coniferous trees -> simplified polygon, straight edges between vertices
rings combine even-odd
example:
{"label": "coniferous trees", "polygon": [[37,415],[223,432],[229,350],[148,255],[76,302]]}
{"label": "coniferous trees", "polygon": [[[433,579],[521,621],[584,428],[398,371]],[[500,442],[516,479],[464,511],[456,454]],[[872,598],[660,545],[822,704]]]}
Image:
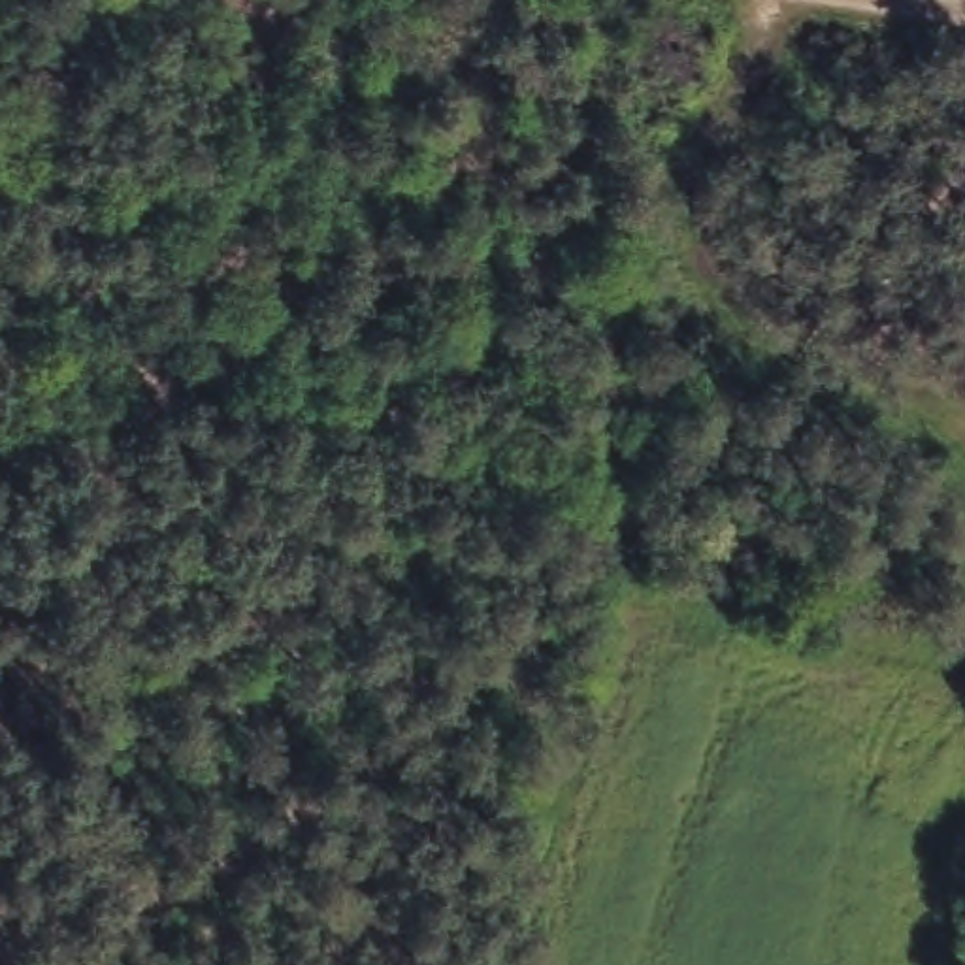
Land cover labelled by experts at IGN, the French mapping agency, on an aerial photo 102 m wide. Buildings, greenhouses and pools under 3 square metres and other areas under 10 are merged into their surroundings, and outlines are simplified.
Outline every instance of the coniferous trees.
{"label": "coniferous trees", "polygon": [[[222,19],[211,26],[204,23],[200,30],[204,38],[245,45],[245,64],[256,94],[283,90],[290,57],[320,60],[313,83],[332,87],[339,98],[309,124],[313,147],[332,151],[335,158],[343,158],[343,166],[369,166],[373,155],[396,155],[407,166],[422,147],[441,151],[452,162],[449,185],[433,196],[369,188],[362,200],[362,215],[369,226],[366,234],[351,237],[339,230],[332,237],[332,249],[320,256],[317,275],[275,279],[279,302],[298,320],[298,328],[309,317],[328,317],[324,347],[343,347],[358,335],[362,362],[384,358],[388,366],[418,354],[433,328],[486,320],[490,313],[490,343],[471,369],[456,366],[449,373],[426,373],[418,381],[392,384],[392,396],[373,426],[324,426],[302,422],[298,415],[234,418],[234,400],[256,392],[260,377],[268,377],[283,362],[283,351],[264,343],[256,354],[241,354],[237,347],[222,343],[215,377],[200,384],[177,377],[166,384],[166,400],[139,384],[139,400],[109,430],[106,456],[79,452],[68,433],[45,433],[34,445],[15,445],[0,452],[0,965],[505,965],[528,954],[535,942],[535,886],[543,882],[532,826],[513,803],[528,788],[558,784],[581,754],[573,746],[573,735],[581,731],[581,720],[592,712],[588,679],[596,648],[603,641],[603,577],[626,569],[633,581],[652,581],[671,592],[705,596],[728,622],[743,626],[746,633],[784,633],[792,622],[799,630],[810,630],[822,622],[837,622],[844,633],[916,626],[931,633],[935,652],[950,667],[965,656],[965,528],[954,520],[950,509],[950,490],[942,479],[942,445],[931,437],[893,441],[875,422],[893,415],[905,400],[924,400],[920,384],[927,373],[942,377],[950,392],[965,400],[965,0],[878,0],[886,15],[814,8],[810,19],[803,19],[795,34],[788,34],[795,57],[807,60],[807,72],[795,79],[788,79],[769,53],[739,53],[731,64],[728,94],[697,117],[690,117],[682,98],[705,75],[716,30],[712,23],[686,23],[671,15],[660,0],[411,0],[411,8],[396,15],[358,19],[351,26],[339,26],[332,38],[313,23],[324,0],[226,0]],[[388,94],[362,90],[366,57],[392,57],[400,64],[400,79]],[[460,219],[498,207],[509,207],[528,226],[532,260],[524,268],[513,268],[494,253],[486,260],[471,260],[449,245],[449,234]],[[663,230],[663,271],[656,279],[656,290],[663,298],[633,305],[611,317],[607,324],[588,328],[584,317],[569,305],[565,286],[573,279],[599,275],[611,260],[611,241],[633,234],[637,226]],[[584,479],[592,475],[592,456],[569,456],[558,441],[573,430],[603,430],[607,411],[648,415],[652,433],[633,452],[607,452],[611,483],[622,490],[622,520],[614,539],[592,539],[573,520],[554,513],[581,498]]]}
{"label": "coniferous trees", "polygon": [[143,0],[0,0],[0,196],[34,204],[53,185],[53,162],[72,170],[87,166],[90,147],[79,143],[79,132],[87,109],[98,102],[106,87],[128,75],[136,64],[151,57],[162,60],[170,41],[177,38],[170,30],[166,8]]}

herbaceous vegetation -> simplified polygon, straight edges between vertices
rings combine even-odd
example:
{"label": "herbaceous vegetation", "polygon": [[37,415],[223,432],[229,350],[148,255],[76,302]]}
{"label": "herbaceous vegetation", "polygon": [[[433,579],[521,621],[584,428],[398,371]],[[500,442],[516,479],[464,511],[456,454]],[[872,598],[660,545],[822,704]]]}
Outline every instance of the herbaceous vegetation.
{"label": "herbaceous vegetation", "polygon": [[950,392],[942,377],[927,373],[920,384],[924,400],[905,400],[893,415],[875,422],[893,441],[931,437],[942,445],[942,479],[950,490],[950,509],[954,520],[965,528],[965,400]]}

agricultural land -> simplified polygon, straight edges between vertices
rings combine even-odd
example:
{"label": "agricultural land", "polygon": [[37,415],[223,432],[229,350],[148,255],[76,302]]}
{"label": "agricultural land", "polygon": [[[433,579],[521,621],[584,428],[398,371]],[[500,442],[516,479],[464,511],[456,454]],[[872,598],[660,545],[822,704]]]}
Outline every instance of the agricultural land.
{"label": "agricultural land", "polygon": [[931,633],[916,626],[844,633],[837,622],[822,622],[810,630],[799,630],[792,622],[784,633],[746,633],[743,626],[728,622],[705,596],[671,592],[652,581],[633,581],[626,569],[603,577],[603,641],[596,648],[588,679],[592,712],[581,720],[581,731],[573,735],[573,746],[581,754],[558,784],[528,788],[513,803],[532,826],[543,882],[535,886],[535,942],[528,954],[505,965],[965,965],[965,656],[950,667],[935,652]]}

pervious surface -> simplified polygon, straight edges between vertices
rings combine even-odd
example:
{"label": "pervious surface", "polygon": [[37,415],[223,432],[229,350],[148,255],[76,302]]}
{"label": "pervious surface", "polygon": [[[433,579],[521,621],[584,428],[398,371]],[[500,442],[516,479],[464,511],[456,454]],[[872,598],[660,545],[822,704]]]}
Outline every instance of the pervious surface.
{"label": "pervious surface", "polygon": [[739,53],[769,53],[788,79],[795,79],[807,72],[807,60],[795,57],[788,34],[795,34],[803,19],[810,19],[814,8],[886,15],[878,0],[750,0],[754,15],[743,23]]}

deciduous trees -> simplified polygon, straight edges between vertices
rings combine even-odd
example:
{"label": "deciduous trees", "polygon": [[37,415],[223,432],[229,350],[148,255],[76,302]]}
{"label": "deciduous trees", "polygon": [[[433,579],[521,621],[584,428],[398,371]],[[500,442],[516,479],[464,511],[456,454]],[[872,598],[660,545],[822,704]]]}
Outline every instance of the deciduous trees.
{"label": "deciduous trees", "polygon": [[400,64],[392,57],[366,57],[362,90],[388,94],[400,79]]}
{"label": "deciduous trees", "polygon": [[611,317],[633,305],[663,298],[656,290],[656,279],[663,271],[663,230],[637,226],[633,234],[611,241],[611,260],[599,275],[573,279],[565,286],[569,305],[584,317],[588,328],[607,324]]}
{"label": "deciduous trees", "polygon": [[317,275],[320,256],[332,249],[332,237],[339,230],[351,237],[366,234],[369,226],[362,215],[362,200],[369,188],[433,196],[449,185],[452,162],[441,151],[422,147],[407,166],[396,155],[373,155],[369,166],[343,166],[343,158],[335,158],[332,151],[313,147],[309,124],[339,98],[332,87],[313,83],[320,60],[290,57],[283,90],[256,94],[245,64],[245,45],[204,38],[200,30],[204,23],[211,26],[222,19],[226,0],[143,0],[166,8],[170,30],[177,38],[170,41],[162,60],[151,57],[136,64],[128,75],[106,87],[98,102],[87,109],[79,132],[79,143],[90,147],[87,166],[72,170],[53,162],[53,185],[34,204],[0,196],[0,452],[15,445],[34,445],[45,433],[68,433],[79,452],[106,456],[109,430],[139,400],[139,384],[166,400],[166,384],[177,377],[200,384],[215,377],[222,343],[237,347],[241,354],[256,354],[264,343],[283,351],[283,362],[268,377],[260,377],[256,392],[234,400],[234,418],[298,415],[302,422],[324,426],[373,426],[392,396],[392,384],[418,381],[426,373],[449,373],[456,366],[471,369],[490,343],[490,313],[486,320],[433,328],[418,354],[388,366],[384,358],[362,362],[358,335],[343,347],[324,347],[328,317],[309,317],[298,328],[298,320],[279,302],[275,279]]}
{"label": "deciduous trees", "polygon": [[324,0],[313,23],[332,38],[339,26],[351,26],[358,19],[396,15],[411,8],[411,0]]}
{"label": "deciduous trees", "polygon": [[460,219],[449,234],[449,245],[471,260],[486,260],[494,253],[513,268],[524,268],[532,260],[528,226],[509,207],[498,207]]}
{"label": "deciduous trees", "polygon": [[611,483],[607,452],[633,452],[652,433],[648,415],[607,411],[603,430],[573,430],[558,441],[569,456],[592,456],[592,475],[584,479],[581,498],[554,513],[573,520],[592,539],[614,539],[622,520],[622,490]]}

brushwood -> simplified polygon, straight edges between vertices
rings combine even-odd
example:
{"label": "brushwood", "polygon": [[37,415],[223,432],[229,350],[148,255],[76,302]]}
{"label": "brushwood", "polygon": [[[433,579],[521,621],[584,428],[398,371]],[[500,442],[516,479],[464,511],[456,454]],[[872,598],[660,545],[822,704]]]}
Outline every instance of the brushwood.
{"label": "brushwood", "polygon": [[731,64],[739,53],[743,23],[754,15],[750,0],[660,0],[671,15],[686,23],[712,23],[716,30],[705,75],[682,98],[690,117],[697,117],[728,94]]}

